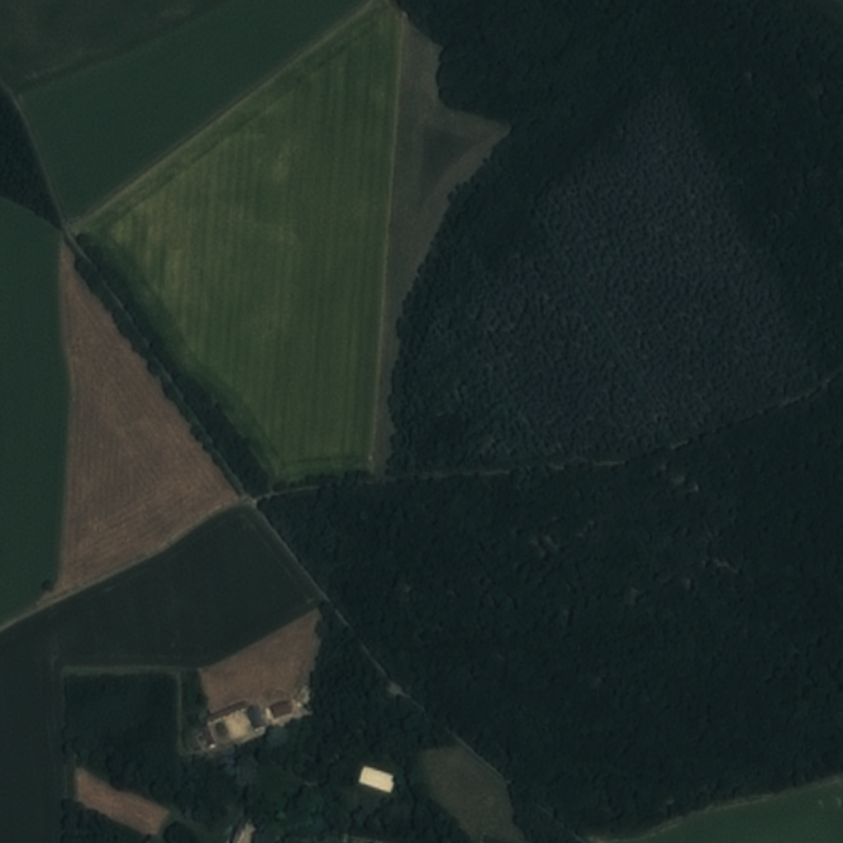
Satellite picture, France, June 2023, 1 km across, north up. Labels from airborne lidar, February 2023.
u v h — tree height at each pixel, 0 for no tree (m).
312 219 0
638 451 15
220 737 0
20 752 0
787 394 16
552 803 20
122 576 0
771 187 18
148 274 0
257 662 0
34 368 0
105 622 0
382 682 14
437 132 0
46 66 0
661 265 17
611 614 22
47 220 8
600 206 17
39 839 0
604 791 15
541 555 25
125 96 0
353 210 0
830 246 18
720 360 14
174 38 0
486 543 21
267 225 0
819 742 27
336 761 23
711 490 21
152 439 0
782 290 15
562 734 22
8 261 0
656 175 17
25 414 0
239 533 0
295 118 0
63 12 0
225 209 0
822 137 20
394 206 0
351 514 23
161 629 0
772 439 21
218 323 0
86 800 0
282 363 0
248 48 0
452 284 21
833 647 22
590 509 19
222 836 0
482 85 13
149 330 14
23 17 0
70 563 0
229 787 12
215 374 0
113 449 0
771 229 14
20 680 0
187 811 16
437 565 18
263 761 30
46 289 0
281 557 0
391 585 17
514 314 18
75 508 0
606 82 14
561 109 13
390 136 0
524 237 16
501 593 23
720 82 17
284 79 0
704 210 16
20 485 0
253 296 0
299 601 0
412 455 16
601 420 18
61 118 0
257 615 0
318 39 0
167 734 9
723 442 19
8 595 0
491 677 18
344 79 0
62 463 0
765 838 0
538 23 21
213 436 16
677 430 19
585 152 14
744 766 12
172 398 17
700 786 20
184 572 0
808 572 26
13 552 0
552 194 21
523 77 21
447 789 0
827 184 16
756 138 21
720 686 21
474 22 19
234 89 0
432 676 21
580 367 18
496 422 20
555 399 18
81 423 0
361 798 0
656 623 16
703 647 19
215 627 0
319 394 0
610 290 19
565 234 19
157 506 0
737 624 19
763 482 19
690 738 20
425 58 0
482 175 16
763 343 19
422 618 23
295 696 0
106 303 14
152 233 0
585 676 19
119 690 8
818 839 0
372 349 0
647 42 17
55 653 0
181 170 0
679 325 16
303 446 0
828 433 21
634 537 23
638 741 20
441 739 25
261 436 0
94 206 0
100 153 0
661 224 16
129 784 12
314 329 0
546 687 23
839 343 15
